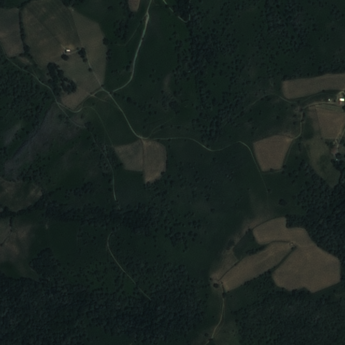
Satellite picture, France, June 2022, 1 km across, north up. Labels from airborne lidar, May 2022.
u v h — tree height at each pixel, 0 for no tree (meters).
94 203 7
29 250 0
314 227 10
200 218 0
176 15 11
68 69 0
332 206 18
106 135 0
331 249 9
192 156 0
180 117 0
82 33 0
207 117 14
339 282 0
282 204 11
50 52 0
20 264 0
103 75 0
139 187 0
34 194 0
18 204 0
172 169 0
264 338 12
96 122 0
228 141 0
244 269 0
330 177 0
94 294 10
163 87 0
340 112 0
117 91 0
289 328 18
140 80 0
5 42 0
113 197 0
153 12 0
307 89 0
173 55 0
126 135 0
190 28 8
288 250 0
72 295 18
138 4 0
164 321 19
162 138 0
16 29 0
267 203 0
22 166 0
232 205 0
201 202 0
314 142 0
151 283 6
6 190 0
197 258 0
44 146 8
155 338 15
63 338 11
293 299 7
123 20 11
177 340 7
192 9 12
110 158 9
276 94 0
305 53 0
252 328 10
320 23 0
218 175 0
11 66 0
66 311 14
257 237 0
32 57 8
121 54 0
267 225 0
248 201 0
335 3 0
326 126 0
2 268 0
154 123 0
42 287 17
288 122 0
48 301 13
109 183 8
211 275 0
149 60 0
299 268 0
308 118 0
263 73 0
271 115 0
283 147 0
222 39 0
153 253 0
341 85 0
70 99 0
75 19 0
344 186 18
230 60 0
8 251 0
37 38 0
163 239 0
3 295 20
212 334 0
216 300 0
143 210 12
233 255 0
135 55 0
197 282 9
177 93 10
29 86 9
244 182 0
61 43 0
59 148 0
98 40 0
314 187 11
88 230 0
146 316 20
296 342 18
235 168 0
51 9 0
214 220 0
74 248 0
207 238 0
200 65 19
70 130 0
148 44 0
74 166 0
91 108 0
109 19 0
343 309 12
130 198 0
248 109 0
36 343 20
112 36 0
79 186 0
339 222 24
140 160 0
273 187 0
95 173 0
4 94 14
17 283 17
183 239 15
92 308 17
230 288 0
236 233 0
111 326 17
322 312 9
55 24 0
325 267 0
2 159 0
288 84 0
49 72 8
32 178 11
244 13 0
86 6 0
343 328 14
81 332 10
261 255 0
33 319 13
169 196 0
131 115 0
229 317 0
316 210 16
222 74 14
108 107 0
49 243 0
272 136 0
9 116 0
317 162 0
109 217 12
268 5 16
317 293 0
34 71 0
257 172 0
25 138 0
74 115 0
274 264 0
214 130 8
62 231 0
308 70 0
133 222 13
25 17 0
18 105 9
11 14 0
